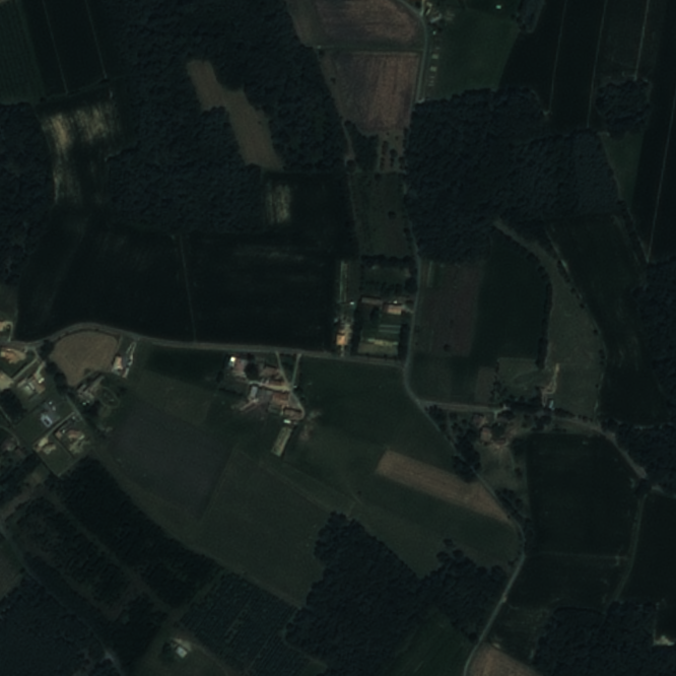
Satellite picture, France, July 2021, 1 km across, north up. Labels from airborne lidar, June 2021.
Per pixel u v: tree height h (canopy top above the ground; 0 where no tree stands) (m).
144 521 9
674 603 0
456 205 22
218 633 6
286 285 0
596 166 20
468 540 0
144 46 10
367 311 0
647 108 18
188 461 0
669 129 0
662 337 25
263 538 0
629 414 0
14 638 14
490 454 0
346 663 18
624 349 0
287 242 0
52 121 0
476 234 18
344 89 0
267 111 18
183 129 13
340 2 0
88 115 0
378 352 0
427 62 0
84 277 0
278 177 0
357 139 12
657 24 0
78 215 0
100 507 10
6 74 5
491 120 11
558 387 0
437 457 0
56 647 12
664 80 0
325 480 0
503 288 0
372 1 0
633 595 0
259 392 0
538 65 0
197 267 0
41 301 0
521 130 21
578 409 0
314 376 0
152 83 15
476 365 0
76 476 7
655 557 0
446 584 21
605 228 0
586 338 0
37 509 6
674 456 20
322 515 0
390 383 0
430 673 0
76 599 13
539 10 0
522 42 0
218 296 0
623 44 0
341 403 0
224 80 13
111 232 0
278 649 7
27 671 11
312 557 0
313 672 0
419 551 0
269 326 0
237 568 0
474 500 0
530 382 0
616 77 0
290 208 0
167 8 18
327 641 18
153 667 0
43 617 11
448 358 0
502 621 0
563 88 0
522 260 0
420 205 15
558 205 16
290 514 0
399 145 0
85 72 0
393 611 20
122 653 9
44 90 0
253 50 23
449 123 19
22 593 9
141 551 9
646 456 17
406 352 16
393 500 0
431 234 17
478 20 0
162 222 15
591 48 0
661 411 0
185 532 0
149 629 9
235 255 0
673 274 20
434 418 10
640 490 11
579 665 24
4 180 23
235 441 0
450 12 0
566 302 0
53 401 0
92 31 0
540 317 0
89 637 16
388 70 0
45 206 21
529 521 10
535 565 0
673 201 0
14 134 24
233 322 0
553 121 0
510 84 0
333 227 0
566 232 0
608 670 24
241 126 0
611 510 0
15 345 0
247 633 6
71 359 0
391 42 0
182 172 23
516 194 15
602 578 0
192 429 0
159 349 0
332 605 15
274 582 0
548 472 0
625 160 0
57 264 0
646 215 0
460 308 0
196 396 0
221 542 0
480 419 0
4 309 0
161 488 0
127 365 0
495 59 0
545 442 0
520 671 0
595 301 0
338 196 0
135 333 0
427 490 0
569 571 0
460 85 0
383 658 20
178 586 10
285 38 23
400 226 0
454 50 0
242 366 0
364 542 16
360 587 14
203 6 17
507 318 0
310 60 17
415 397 0
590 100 0
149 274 0
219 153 13
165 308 0
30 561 7
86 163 0
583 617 10
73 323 0
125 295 0
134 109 11
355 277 0
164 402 0
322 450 0
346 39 0
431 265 0
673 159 0
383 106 0
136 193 15
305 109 22
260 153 0
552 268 0
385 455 0
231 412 0
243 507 0
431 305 0
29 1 0
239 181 20
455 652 0
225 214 16
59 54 0
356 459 0
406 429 0
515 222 21
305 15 0
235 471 0
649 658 24
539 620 0
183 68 12
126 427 0
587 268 0
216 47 20
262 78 23
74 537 7
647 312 18
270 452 0
